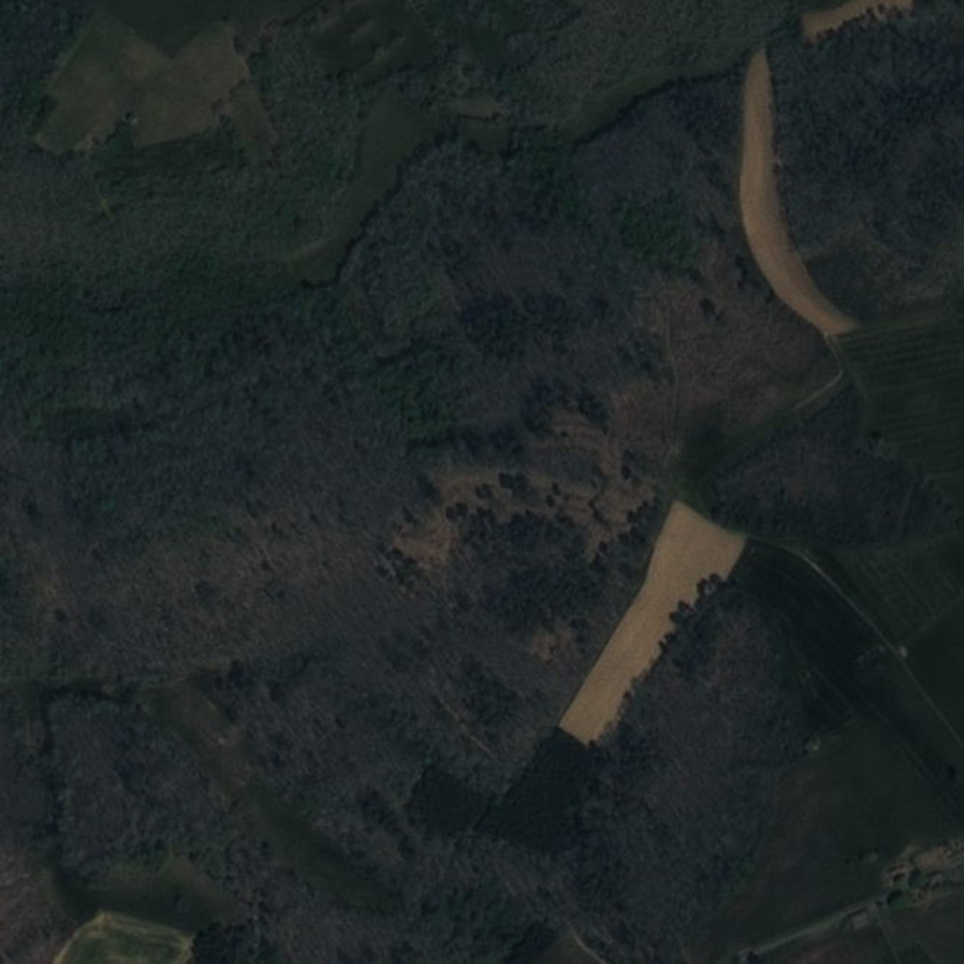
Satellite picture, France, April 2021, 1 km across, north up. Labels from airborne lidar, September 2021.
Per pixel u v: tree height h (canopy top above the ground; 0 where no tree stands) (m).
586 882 21
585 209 24
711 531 0
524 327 0
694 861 21
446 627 19
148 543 23
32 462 19
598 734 0
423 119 0
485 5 11
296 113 18
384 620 17
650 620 0
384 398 26
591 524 0
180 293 23
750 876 10
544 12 10
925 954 0
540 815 15
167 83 0
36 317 25
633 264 17
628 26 19
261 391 17
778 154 18
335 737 9
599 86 12
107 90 0
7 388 16
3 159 16
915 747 0
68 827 17
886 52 19
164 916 0
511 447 28
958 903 0
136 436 19
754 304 29
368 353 20
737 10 15
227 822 20
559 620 0
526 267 17
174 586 17
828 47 17
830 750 0
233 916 0
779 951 0
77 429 10
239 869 15
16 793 14
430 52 0
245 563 20
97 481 20
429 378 20
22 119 18
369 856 20
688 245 19
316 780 13
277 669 15
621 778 18
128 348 19
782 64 19
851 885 0
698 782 20
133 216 24
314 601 19
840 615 0
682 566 0
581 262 21
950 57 26
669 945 17
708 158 23
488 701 0
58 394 17
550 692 14
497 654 15
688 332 14
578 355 0
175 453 17
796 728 9
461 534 0
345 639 20
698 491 0
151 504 19
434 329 16
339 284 8
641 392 6
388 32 0
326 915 16
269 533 16
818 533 8
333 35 0
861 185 23
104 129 0
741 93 19
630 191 20
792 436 8
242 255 17
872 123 19
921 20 23
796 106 17
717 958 0
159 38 0
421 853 14
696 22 18
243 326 18
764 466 6
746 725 9
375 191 0
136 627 23
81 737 12
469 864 15
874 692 0
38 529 15
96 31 0
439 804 14
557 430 0
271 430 25
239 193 18
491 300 12
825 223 19
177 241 23
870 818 0
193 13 0
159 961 0
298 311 19
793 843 0
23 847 11
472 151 15
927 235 20
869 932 0
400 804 22
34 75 15
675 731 17
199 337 19
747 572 0
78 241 22
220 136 7
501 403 16
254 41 0
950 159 20
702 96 18
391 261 16
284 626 18
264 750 16
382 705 20
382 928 16
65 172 20
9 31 17
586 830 24
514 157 16
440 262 23
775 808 12
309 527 15
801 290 0
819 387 0
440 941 20
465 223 20
